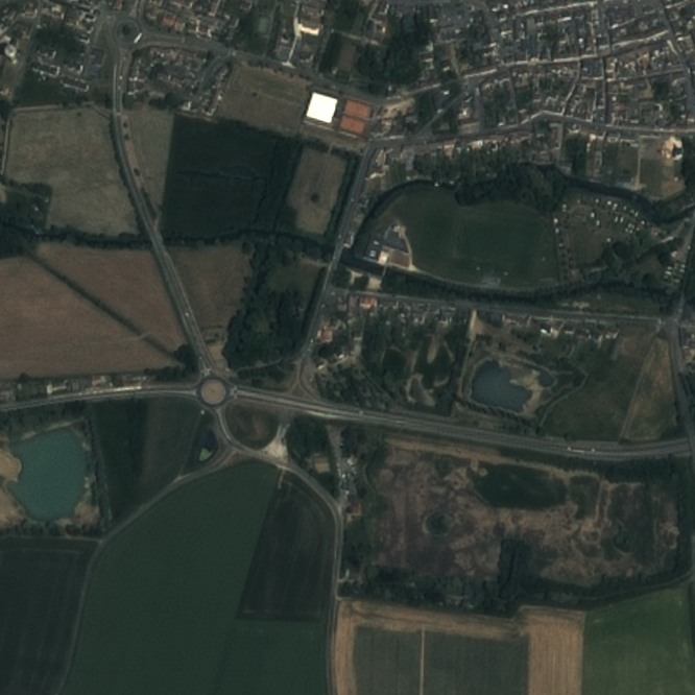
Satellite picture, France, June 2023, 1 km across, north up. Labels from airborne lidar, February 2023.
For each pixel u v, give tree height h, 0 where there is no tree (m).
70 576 0
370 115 0
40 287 0
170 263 0
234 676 0
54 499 0
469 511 0
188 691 0
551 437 0
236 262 0
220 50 0
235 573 0
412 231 0
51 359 0
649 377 0
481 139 0
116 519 0
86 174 0
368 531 11
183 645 0
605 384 0
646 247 15
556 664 0
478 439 0
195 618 0
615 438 0
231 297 0
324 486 0
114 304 0
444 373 0
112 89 0
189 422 0
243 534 0
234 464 0
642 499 0
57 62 0
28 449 0
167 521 0
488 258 0
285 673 0
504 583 7
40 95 0
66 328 0
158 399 0
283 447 0
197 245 13
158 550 0
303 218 0
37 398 7
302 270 0
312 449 12
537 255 0
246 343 17
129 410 5
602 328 7
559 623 0
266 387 0
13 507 0
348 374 14
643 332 0
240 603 0
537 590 12
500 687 0
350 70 0
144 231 12
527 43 0
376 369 8
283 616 0
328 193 0
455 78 11
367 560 12
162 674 0
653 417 0
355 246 9
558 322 0
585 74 0
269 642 0
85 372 0
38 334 0
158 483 0
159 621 0
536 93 0
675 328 0
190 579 0
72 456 0
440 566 0
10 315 0
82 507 0
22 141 0
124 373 0
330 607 0
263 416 0
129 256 0
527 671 0
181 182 0
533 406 0
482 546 0
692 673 0
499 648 0
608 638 0
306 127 0
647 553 0
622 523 0
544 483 0
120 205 0
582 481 0
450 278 0
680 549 12
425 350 0
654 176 0
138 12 0
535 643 0
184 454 0
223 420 0
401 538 0
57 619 0
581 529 0
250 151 0
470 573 0
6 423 10
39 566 0
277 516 0
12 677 0
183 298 0
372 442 0
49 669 0
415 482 0
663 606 0
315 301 11
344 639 0
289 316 29
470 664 0
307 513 0
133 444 10
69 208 0
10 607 0
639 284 22
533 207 16
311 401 0
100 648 0
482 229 0
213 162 0
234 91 0
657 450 0
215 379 0
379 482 0
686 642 0
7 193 0
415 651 0
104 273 0
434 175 12
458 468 0
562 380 0
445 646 0
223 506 0
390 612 0
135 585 0
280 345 19
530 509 0
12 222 17
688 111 0
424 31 14
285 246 19
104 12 0
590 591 8
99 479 10
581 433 0
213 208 0
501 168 12
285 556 0
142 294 0
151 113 0
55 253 0
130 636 0
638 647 0
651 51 0
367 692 0
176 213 0
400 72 10
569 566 0
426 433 0
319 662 0
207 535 0
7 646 0
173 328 0
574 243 0
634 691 0
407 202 0
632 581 8
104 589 0
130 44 0
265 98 0
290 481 0
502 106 8
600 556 0
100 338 0
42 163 0
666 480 19
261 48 0
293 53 0
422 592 10
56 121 0
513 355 0
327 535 0
